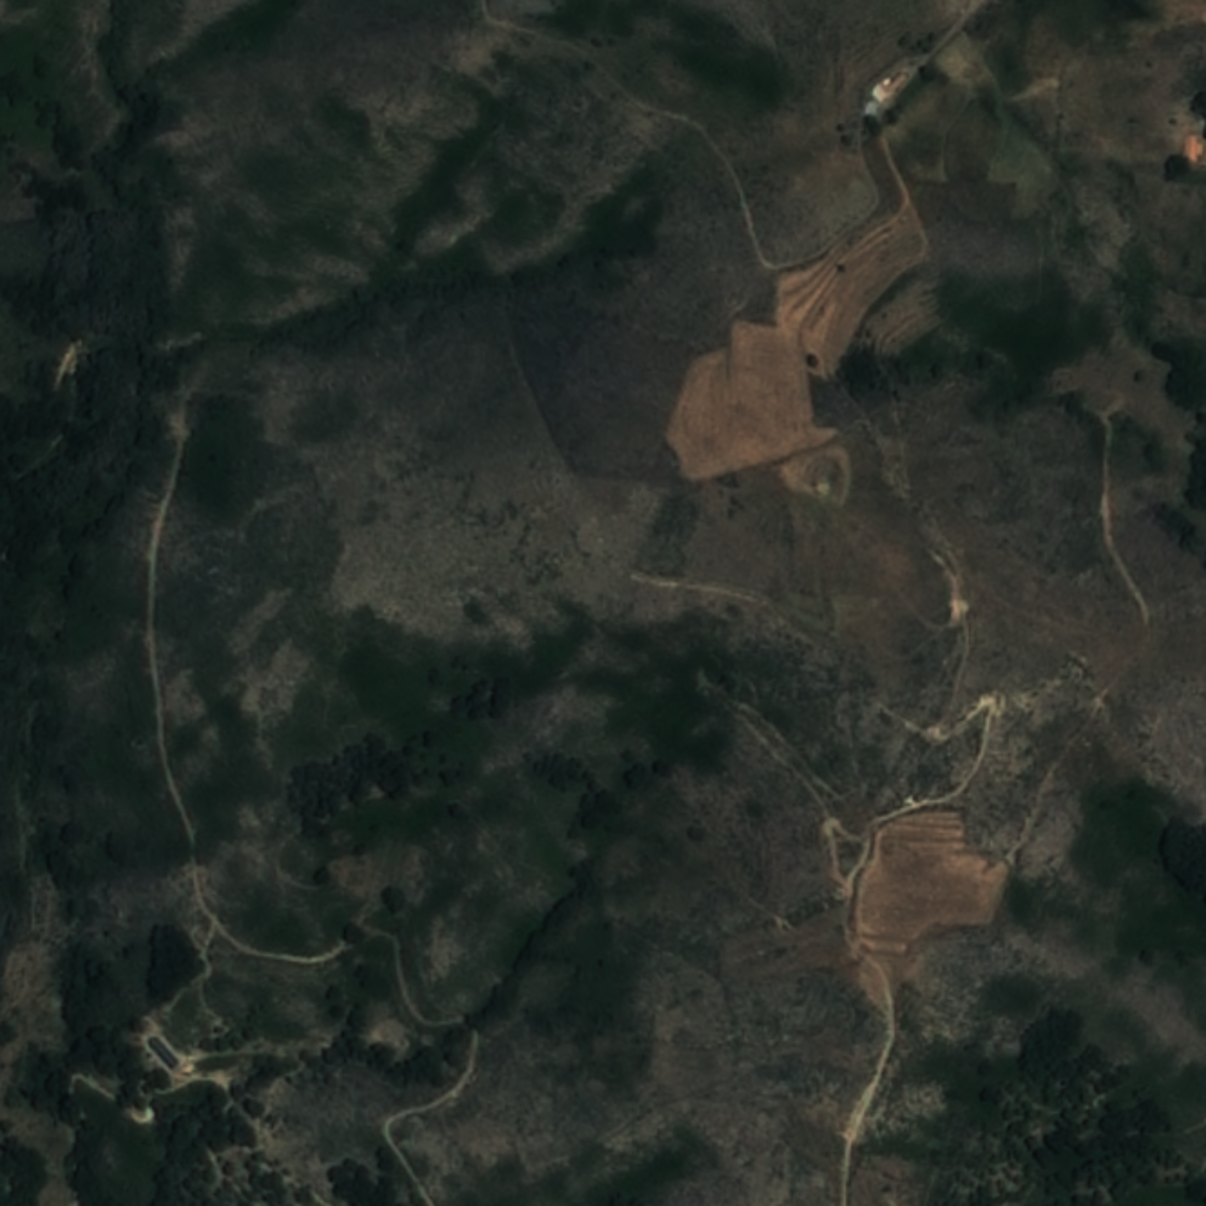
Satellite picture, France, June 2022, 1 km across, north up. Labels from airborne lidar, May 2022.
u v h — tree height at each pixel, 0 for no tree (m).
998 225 0
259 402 0
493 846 0
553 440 0
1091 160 0
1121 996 0
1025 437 0
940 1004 0
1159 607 0
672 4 0
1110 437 0
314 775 15
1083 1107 12
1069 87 0
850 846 0
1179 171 14
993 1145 7
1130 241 0
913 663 0
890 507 0
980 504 0
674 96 0
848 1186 0
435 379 0
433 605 0
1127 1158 12
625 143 0
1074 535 0
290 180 0
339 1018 9
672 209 0
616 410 0
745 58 0
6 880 12
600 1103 0
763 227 0
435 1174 0
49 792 0
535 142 0
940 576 0
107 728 0
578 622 0
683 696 0
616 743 0
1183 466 0
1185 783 0
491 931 0
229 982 0
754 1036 0
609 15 0
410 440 0
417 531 0
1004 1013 0
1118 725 0
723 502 0
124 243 24
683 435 0
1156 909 0
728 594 0
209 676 0
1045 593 0
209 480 0
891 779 0
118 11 14
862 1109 0
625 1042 0
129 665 0
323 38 0
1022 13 0
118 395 23
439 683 13
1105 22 0
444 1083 7
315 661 0
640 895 0
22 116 0
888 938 0
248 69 0
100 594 0
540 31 0
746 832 0
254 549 0
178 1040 0
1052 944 0
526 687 0
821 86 0
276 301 0
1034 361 0
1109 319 0
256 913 0
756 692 0
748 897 0
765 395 0
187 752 0
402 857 0
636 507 0
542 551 0
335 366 0
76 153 11
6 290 10
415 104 0
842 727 0
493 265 0
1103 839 0
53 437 10
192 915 0
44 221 7
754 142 0
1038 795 0
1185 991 0
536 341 0
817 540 0
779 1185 0
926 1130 0
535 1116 0
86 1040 17
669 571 0
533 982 0
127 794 0
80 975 17
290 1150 0
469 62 0
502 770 0
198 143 0
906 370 11
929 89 0
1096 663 0
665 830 0
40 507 22
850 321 0
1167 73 0
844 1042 0
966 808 0
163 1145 8
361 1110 0
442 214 0
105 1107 0
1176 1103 0
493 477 0
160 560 0
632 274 0
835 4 0
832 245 0
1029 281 0
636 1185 0
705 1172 0
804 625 0
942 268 0
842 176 0
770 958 0
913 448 0
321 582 0
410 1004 0
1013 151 0
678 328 0
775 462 0
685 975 0
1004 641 0
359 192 0
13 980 0
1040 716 0
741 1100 0
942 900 0
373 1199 15
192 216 0
